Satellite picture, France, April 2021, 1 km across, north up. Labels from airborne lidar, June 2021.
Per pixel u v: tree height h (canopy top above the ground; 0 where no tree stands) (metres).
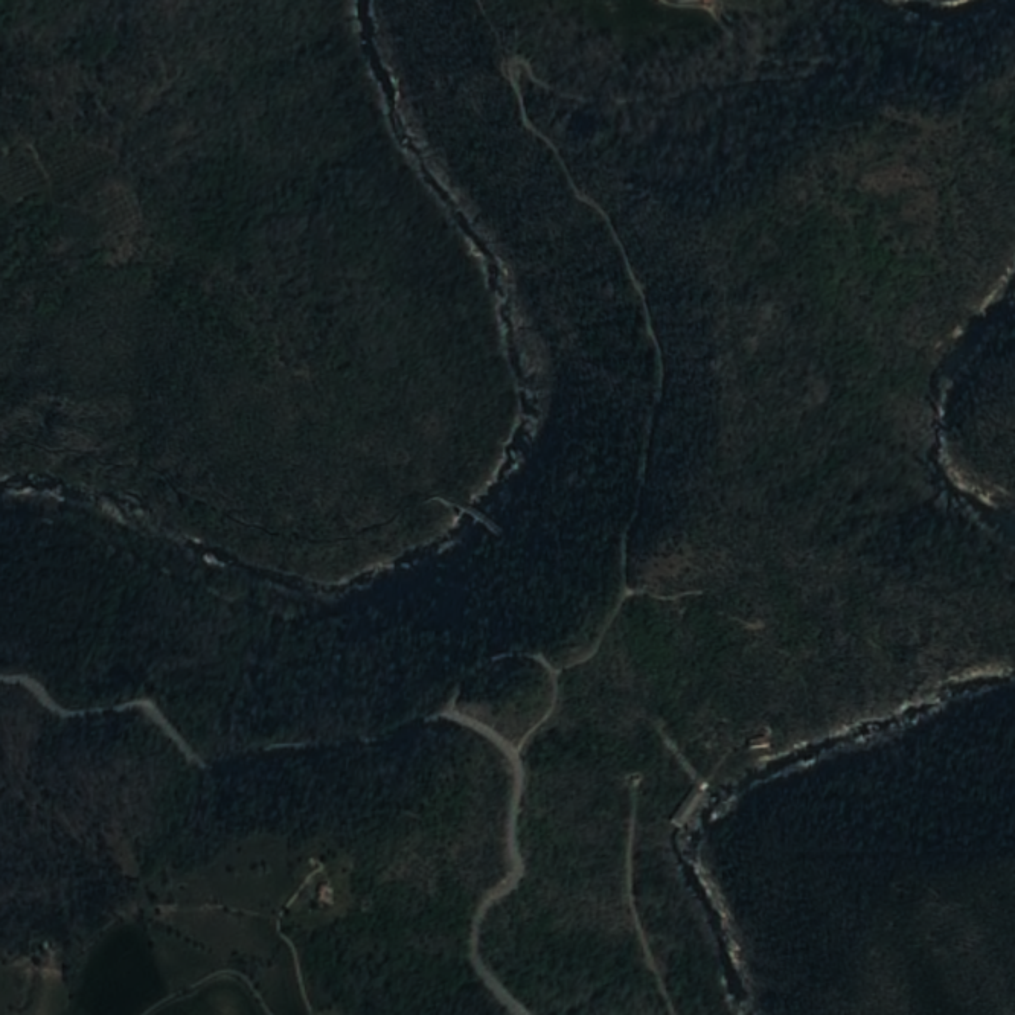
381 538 12
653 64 17
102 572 8
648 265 5
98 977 0
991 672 0
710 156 8
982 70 10
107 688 9
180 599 12
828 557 7
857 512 11
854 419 6
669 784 7
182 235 9
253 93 9
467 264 9
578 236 6
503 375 13
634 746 6
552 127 6
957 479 0
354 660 13
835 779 10
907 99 8
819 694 7
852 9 13
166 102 9
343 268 15
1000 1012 7
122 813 7
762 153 6
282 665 7
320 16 6
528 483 12
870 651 11
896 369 16
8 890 14
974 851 7
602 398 9
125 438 7
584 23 15
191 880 0
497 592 6
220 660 10
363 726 12
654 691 7
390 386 5
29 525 9
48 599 8
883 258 11
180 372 9
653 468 6
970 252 6
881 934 6
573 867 9
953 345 0
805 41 18
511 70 0
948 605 7
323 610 8
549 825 11
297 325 11
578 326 6
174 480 6
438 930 7
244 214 7
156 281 6
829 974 11
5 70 10
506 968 11
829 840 12
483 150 8
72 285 9
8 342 6
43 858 13
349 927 10
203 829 17
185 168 13
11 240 8
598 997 10
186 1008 0
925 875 6
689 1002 9
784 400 7
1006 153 6
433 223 6
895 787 8
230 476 8
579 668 8
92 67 9
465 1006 7
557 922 12
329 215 10
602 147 7
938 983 11
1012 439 10
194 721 10
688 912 7
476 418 8
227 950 0
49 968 0
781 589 10
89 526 6
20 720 6
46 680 8
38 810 8
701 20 0
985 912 7
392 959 14
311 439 8
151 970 0
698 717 7
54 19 11
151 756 12
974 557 6
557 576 12
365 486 7
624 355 6
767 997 7
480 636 10
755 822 9
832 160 9
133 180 9
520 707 6
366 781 7
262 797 12
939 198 10
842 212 8
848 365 9
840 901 7
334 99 9
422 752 6
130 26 9
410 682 13
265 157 8
